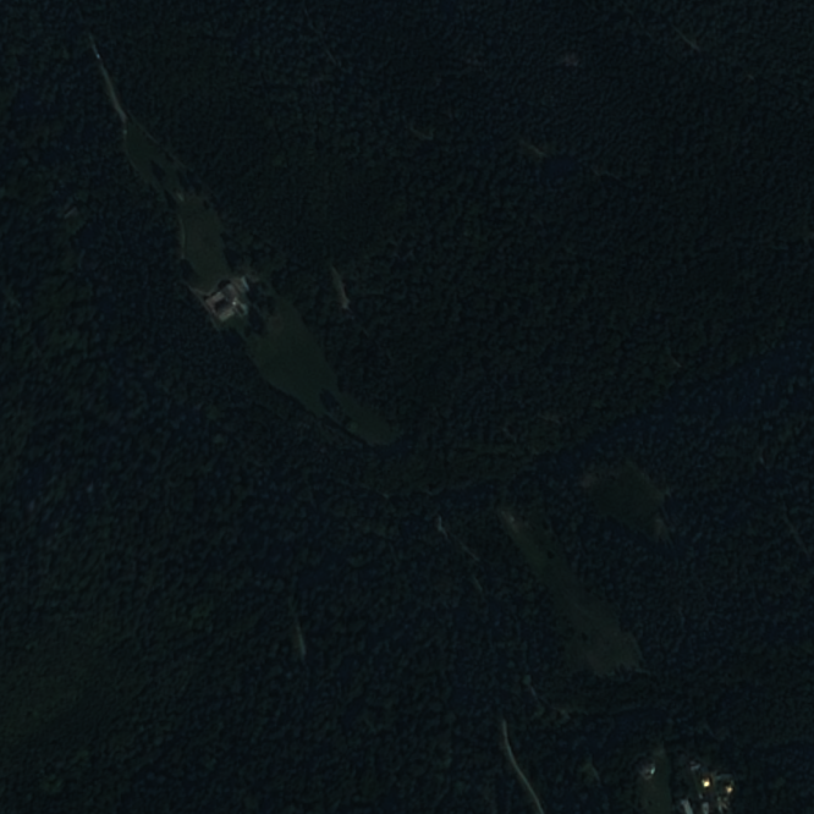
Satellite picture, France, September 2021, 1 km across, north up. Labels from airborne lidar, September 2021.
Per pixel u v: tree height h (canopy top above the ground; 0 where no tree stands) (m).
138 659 20
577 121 31
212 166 28
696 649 26
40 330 34
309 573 10
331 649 22
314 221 22
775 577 24
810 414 27
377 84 21
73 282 27
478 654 30
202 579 25
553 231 32
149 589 23
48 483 11
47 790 22
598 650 0
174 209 22
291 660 31
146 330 22
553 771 21
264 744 19
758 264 32
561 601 0
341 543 33
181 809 22
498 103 30
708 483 26
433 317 20
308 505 19
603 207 18
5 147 24
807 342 29
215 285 0
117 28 25
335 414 26
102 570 27
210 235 0
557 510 33
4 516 20
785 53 27
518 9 32
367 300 17
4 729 17
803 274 30
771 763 31
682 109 18
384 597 28
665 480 32
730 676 34
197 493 28
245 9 24
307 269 17
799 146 24
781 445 33
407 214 16
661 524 0
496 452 25
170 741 20
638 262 26
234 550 13
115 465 21
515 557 14
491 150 35
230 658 19
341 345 27
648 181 20
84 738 26
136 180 19
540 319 29
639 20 19
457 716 34
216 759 22
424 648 24
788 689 30
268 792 23
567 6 25
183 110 23
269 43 31
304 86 32
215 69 27
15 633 25
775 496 30
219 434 16
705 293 19
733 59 27
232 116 28
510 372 23
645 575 31
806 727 30
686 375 22
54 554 26
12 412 17
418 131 21
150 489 23
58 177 39
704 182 23
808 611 33
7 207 11
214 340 31
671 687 29
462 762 19
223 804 10
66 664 23
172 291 29
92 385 31
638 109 28
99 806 20
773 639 12
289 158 21
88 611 18
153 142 6
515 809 33
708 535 29
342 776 23
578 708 19
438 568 31
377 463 20
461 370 18
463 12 35
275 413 23
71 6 18
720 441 27
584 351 35
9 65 43
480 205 17
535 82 33
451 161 21
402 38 24
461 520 19
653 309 17
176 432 34
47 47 28
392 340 23
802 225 29
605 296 18
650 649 34
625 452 23
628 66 31
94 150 29
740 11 25
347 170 18
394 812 24
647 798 0
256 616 24
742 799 17
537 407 22
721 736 27
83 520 18
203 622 22
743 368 26
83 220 30
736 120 24
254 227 20
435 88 22
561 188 39
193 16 26
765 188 28
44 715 19
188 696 11
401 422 21
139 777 7
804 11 27
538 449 20
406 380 23
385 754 21
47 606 29
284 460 27
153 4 24
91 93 31
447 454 20
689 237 17
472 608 27
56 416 35
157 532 28
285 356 0
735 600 37
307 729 29
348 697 24
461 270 30
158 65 25
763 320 32
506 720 17
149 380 28
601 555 34
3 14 34
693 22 20
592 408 31
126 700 20
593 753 21
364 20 25
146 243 27
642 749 15
